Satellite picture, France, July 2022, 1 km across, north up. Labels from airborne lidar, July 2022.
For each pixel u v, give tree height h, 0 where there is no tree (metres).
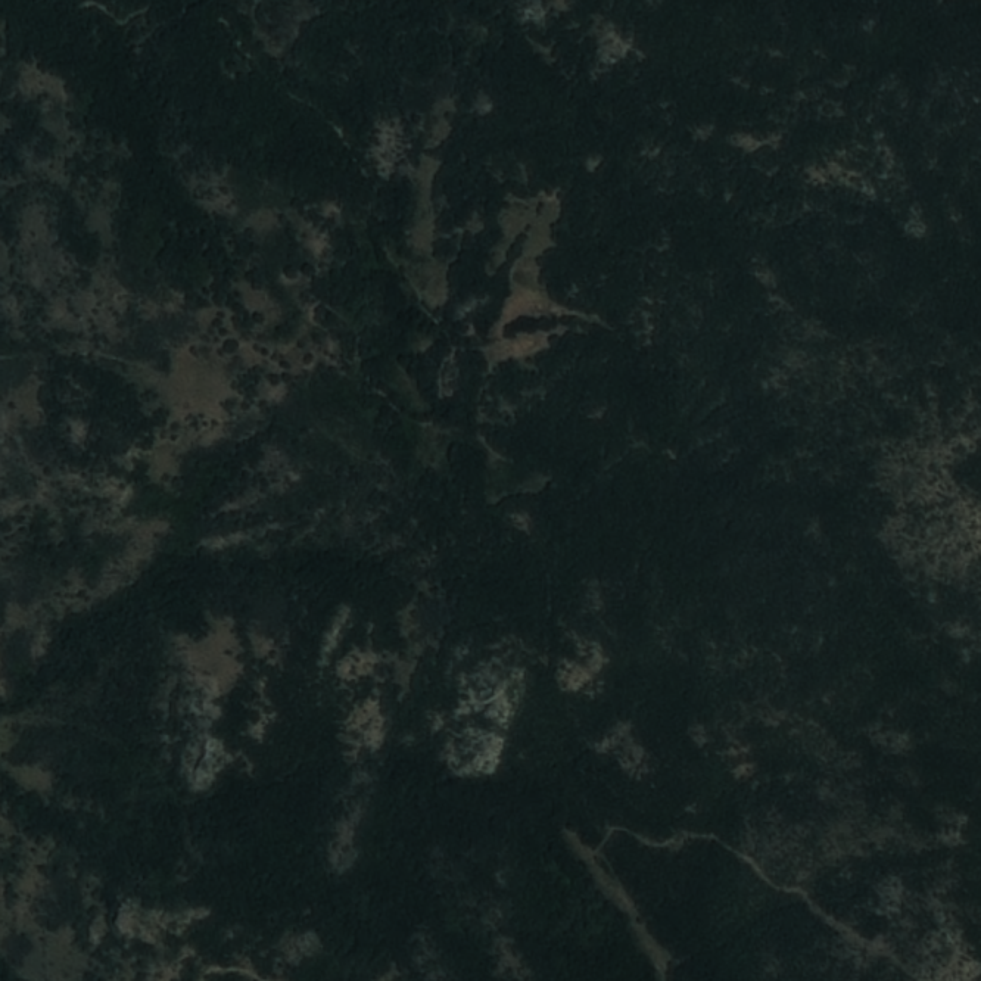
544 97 8
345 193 7
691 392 6
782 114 6
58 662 6
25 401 0
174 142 7
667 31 9
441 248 10
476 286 9
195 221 13
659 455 8
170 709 6
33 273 0
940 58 7
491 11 9
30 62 7
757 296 8
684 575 6
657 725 6
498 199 9
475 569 7
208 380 0
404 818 11
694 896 8
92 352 7
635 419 8
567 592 6
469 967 8
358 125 9
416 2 11
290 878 8
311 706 7
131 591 9
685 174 7
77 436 0
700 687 6
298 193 7
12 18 9
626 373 9
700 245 8
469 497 7
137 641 7
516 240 6
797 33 6
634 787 7
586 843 8
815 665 5
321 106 9
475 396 8
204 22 12
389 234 9
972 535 0
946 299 5
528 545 6
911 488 0
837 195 6
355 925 11
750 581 5
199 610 7
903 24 8
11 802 7
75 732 5
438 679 6
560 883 7
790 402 6
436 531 5
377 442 6
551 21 7
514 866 6
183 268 6
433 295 0
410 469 12
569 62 8
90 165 6
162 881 7
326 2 12
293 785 7
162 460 0
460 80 7
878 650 6
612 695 9
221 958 8
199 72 8
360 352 8
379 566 8
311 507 7
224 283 8
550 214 0
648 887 6
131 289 0
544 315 7
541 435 10
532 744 9
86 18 9
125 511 7
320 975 6
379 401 14
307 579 7
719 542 7
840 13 8
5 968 9
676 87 8
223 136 8
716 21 9
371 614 6
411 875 6
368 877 8
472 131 7
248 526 6
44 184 6
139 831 7
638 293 8
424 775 10
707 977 8
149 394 7
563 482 9
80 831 8
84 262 7
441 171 9
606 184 8
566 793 8
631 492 7
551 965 7
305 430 8
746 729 6
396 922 7
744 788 9
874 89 5
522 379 7
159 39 5
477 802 8
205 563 7
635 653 7
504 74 8
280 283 0
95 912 7
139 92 13
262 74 12
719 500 6
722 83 7
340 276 11
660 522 7
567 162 7
